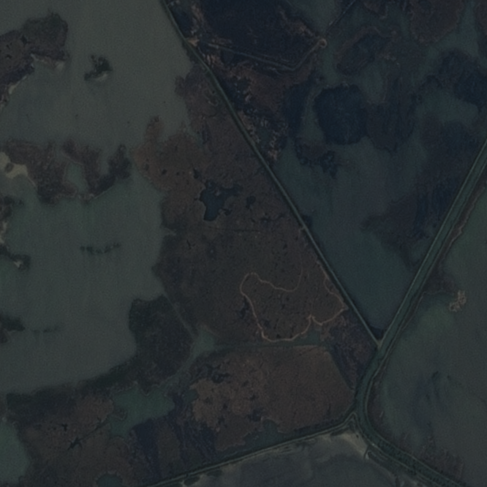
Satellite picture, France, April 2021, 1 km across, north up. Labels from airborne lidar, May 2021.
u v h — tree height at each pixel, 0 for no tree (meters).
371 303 0
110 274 0
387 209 0
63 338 0
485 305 0
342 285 0
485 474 0
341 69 0
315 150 0
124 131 0
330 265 0
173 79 0
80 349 0
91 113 0
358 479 0
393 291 0
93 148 0
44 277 0
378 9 0
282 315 0
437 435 0
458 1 0
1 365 0
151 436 0
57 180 0
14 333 0
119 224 0
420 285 0
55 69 0
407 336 0
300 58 0
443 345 0
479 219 0
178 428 0
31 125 0
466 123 0
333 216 0
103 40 0
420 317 0
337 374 0
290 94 0
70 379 0
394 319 0
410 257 0
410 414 0
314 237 0
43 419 0
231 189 0
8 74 0
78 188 0
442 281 0
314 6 0
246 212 0
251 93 0
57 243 0
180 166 0
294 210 0
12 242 0
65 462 0
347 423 0
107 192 0
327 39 0
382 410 0
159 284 0
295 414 0
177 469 0
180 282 0
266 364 0
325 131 0
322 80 0
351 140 0
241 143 0
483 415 0
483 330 0
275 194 0
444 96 0
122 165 0
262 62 0
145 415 0
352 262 0
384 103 0
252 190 0
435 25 0
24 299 0
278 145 0
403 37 0
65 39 0
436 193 0
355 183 0
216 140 0
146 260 0
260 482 0
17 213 0
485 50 0
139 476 0
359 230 0
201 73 0
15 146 0
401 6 0
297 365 0
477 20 0
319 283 0
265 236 0
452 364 0
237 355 0
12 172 0
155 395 0
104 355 0
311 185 0
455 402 0
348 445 0
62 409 0
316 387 0
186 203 0
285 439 0
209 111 0
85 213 0
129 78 0
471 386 0
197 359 0
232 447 0
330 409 0
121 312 0
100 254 0
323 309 0
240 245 0
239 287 0
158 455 0
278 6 0
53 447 0
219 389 0
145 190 0
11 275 0
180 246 0
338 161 0
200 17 0
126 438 0
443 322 0
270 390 0
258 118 0
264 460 0
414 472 6
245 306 0
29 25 0
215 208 0
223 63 0
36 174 0
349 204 0
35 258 0
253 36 0
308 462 0
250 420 0
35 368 0
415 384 0
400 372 0
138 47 0
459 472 0
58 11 0
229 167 0
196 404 0
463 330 0
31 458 0
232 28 0
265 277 0
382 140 0
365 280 0
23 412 0
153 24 0
